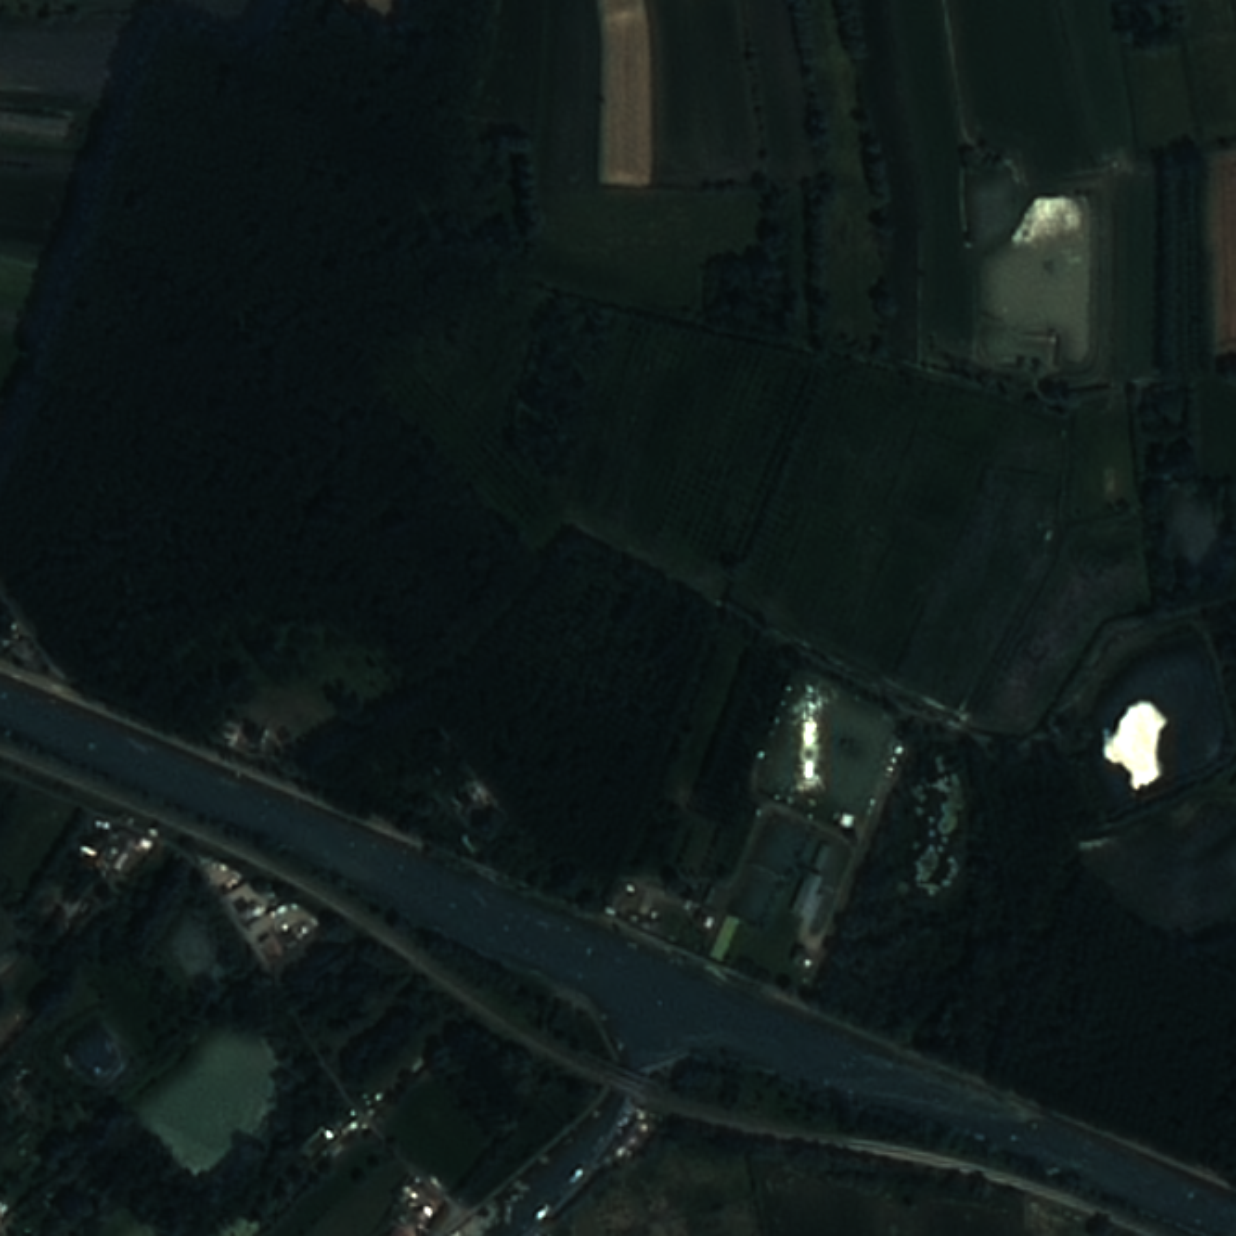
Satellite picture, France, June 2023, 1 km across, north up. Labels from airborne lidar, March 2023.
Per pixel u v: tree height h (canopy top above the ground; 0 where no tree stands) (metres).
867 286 0
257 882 10
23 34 0
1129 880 0
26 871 0
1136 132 0
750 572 0
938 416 0
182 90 37
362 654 0
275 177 38
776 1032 0
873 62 0
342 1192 0
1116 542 0
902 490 0
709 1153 0
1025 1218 0
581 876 18
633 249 0
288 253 42
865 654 0
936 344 0
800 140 0
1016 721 0
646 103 0
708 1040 0
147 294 42
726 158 0
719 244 0
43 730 0
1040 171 0
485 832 17
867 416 0
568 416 31
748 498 0
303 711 0
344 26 39
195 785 0
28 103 0
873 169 17
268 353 39
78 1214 25
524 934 0
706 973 0
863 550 0
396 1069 0
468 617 35
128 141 35
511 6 0
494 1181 0
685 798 0
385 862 0
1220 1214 0
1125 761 0
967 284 0
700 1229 0
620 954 0
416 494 35
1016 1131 0
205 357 38
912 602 0
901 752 0
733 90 0
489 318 0
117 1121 21
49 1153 18
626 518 0
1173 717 0
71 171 0
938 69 0
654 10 0
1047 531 0
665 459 0
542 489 0
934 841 0
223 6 0
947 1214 0
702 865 0
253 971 19
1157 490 19
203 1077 0
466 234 39
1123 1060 29
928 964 8
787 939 0
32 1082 10
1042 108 0
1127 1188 0
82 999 0
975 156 9
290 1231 0
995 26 0
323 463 35
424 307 36
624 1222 0
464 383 0
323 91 38
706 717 0
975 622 0
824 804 0
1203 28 0
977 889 7
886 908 19
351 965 12
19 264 0
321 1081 15
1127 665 0
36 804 0
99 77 0
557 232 0
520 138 19
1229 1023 31
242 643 0
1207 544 0
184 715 30
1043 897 8
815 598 0
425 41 38
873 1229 0
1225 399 0
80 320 39
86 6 0
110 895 17
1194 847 0
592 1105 0
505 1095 28
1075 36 0
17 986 0
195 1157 0
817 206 15
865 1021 19
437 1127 0
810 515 0
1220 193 0
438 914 0
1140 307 0
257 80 38
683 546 0
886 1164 13
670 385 0
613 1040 0
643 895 0
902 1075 0
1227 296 0
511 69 0
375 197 38
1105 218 0
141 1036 0
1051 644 0
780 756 0
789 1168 0
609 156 0
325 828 0
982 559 0
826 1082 0
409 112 39
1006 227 0
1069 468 0
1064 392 19
